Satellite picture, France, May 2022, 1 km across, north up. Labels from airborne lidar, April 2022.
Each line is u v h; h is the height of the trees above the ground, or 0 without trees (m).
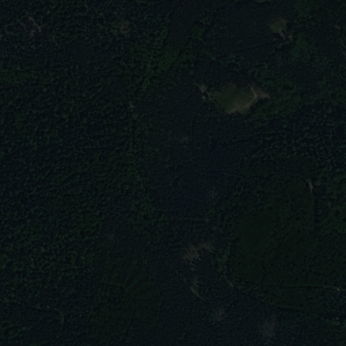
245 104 0
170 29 20
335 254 13
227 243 19
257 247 23
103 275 20
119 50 30
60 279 14
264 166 14
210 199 32
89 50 22
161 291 13
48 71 27
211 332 22
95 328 18
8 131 32
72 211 24
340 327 22
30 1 24
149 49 25
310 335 27
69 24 22
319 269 16
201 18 23
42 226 20
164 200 29
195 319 18
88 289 23
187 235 26
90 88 21
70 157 20
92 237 25
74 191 24
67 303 26
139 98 26
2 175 30
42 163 25
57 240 24
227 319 26
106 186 12
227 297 25
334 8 25
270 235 24
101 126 18
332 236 14
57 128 26
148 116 26
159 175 20
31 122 27
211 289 23
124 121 16
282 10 34
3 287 27
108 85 18
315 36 37
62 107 26
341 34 22
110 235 20
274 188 15
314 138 37
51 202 26
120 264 14
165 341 15
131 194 26
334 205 34
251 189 14
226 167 33
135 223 24
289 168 15
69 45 18
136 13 19
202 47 33
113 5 14
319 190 33
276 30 0
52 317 30
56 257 27
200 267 21
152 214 28
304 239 13
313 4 31
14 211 27
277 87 26
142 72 24
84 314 23
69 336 33
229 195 24
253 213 16
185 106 26
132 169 21
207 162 36
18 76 28
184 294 19
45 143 21
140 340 14
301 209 23
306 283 14
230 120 35
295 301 14
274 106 27
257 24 29
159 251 22
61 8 9
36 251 31
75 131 27
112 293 14
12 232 27
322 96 27
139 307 17
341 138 39
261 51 32
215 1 18
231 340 24
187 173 33
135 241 21
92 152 28
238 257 24
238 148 31
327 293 11
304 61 23
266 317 21
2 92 24
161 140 27
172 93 27
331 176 34
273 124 25
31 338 31
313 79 30
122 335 17
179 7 20
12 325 9
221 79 25
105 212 26
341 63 21
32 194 23
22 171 26
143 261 12
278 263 15
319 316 12
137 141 20
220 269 22
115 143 22
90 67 20
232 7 28
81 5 8
